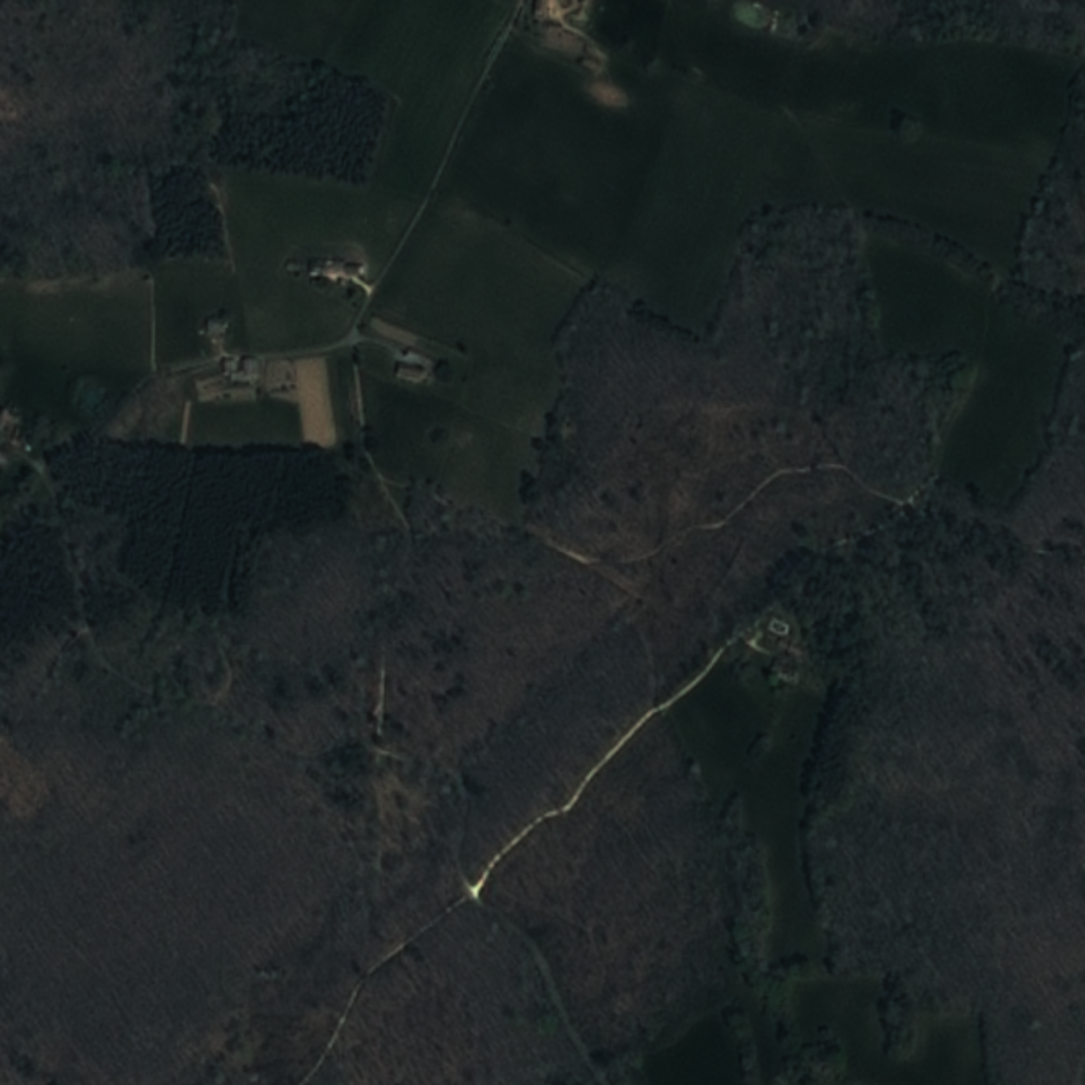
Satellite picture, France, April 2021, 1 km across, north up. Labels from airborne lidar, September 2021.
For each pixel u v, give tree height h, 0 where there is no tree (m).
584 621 9
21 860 19
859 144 0
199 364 0
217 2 11
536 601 9
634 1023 6
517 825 17
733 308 10
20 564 19
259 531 20
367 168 15
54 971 21
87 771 15
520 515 0
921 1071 0
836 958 17
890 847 24
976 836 19
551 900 9
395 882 23
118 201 16
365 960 10
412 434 0
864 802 19
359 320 0
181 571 21
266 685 14
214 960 21
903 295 0
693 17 0
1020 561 28
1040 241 13
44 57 7
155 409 15
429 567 15
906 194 0
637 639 17
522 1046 20
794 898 0
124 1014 21
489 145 0
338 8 0
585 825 10
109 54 8
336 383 0
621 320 16
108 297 0
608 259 0
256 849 20
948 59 0
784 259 10
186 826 17
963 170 0
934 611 29
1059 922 17
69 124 10
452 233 0
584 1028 9
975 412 0
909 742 24
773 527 10
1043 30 13
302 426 0
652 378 15
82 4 11
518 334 0
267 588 18
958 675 20
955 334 0
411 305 0
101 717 10
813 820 15
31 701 12
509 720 10
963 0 13
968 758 22
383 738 6
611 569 14
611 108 0
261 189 0
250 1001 10
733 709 0
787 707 0
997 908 21
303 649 20
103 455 16
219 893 20
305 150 19
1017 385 0
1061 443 11
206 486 22
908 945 22
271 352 0
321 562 18
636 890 9
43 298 0
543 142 0
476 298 0
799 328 13
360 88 15
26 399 0
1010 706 19
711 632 19
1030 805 20
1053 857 19
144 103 9
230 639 16
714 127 0
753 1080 17
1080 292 15
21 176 16
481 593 10
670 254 0
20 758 18
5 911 19
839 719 23
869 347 8
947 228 0
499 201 0
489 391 0
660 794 14
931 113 0
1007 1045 19
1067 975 18
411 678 11
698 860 10
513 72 0
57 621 16
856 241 20
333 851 24
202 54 14
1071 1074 20
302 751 13
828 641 23
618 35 0
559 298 0
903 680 21
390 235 0
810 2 11
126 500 16
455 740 12
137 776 17
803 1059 7
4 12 11
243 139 14
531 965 19
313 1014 11
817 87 0
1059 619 19
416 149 0
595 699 20
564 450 17
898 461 12
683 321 0
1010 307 6
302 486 19
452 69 0
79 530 17
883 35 8
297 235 0
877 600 24
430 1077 10
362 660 16
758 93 0
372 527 17
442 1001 11
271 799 14
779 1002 23
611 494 11
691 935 8
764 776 0
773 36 0
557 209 0
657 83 0
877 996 0
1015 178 0
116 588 14
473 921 17
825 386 11
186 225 16
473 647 11
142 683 10
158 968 20
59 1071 8
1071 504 20
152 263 16
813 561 14
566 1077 21
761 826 0
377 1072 10
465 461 0
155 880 20
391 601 14
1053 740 19
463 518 12
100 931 23
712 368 11
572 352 9
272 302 0
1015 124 0
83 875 18
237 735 15
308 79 8
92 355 0
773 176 0
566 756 19
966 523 10
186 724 15
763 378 14
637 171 0
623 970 7
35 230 24
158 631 13
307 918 14
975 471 0
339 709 18
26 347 0
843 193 0
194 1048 21
